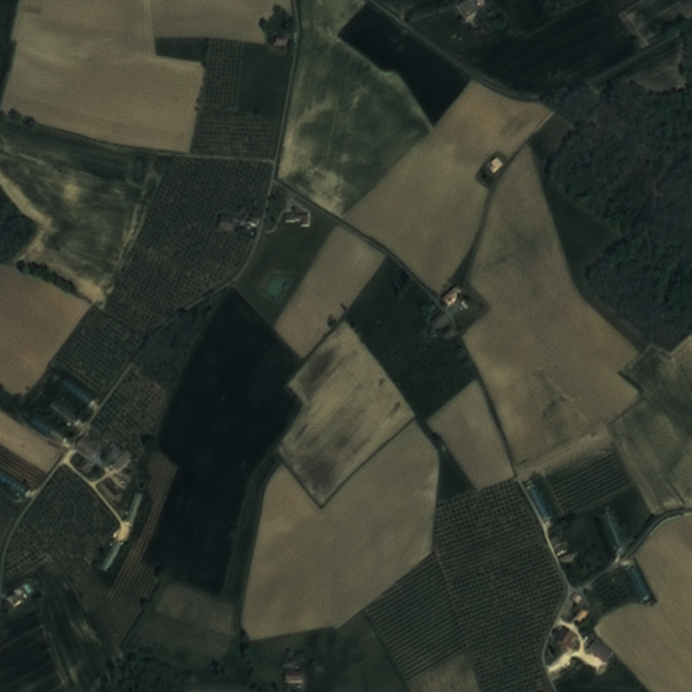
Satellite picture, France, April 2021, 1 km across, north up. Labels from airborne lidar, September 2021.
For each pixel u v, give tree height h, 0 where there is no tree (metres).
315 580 0
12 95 0
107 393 0
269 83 0
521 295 0
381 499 0
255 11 0
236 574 0
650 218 16
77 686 10
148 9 0
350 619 0
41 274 17
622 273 20
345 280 0
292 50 16
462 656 0
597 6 0
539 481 8
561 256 0
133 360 13
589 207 17
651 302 18
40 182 0
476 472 0
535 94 0
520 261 0
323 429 0
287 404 0
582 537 0
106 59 0
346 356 0
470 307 18
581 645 0
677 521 0
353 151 0
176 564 0
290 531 0
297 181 0
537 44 0
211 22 0
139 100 0
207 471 0
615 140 20
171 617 0
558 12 16
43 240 0
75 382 0
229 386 0
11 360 0
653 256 25
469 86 0
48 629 0
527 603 6
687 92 10
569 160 18
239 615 0
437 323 0
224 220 0
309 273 0
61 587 0
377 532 0
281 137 0
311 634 0
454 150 0
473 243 0
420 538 0
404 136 0
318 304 0
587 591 7
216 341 0
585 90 19
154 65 0
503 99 0
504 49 0
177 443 0
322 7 0
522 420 0
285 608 0
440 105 0
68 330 0
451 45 0
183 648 0
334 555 0
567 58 0
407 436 0
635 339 0
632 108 19
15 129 0
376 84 0
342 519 0
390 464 0
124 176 0
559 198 0
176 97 0
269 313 0
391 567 0
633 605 0
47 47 0
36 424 0
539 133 0
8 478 0
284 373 0
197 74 0
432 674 0
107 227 0
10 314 0
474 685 0
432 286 0
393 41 0
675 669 0
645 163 11
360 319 0
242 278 0
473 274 0
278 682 0
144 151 0
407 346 0
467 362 10
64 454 0
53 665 0
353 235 0
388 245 0
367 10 0
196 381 0
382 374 0
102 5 0
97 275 0
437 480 0
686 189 18
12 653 0
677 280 22
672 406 0
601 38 0
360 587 0
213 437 0
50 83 0
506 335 0
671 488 0
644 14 0
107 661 0
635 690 0
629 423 0
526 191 0
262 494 0
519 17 0
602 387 0
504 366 0
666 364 0
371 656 0
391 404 0
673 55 0
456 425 0
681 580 0
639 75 0
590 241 0
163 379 17
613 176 23
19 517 0
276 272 7
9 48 0
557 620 0
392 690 0
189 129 0
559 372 0
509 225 0
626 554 9
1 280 0
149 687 11
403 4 0
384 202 0
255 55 0
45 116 0
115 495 0
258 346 0
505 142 0
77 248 0
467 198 0
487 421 0
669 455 0
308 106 0
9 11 0
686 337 11
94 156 0
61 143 0
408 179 0
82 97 0
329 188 0
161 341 21
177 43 0
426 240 0
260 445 0
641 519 0
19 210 13
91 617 0
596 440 0
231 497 0
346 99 0
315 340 0
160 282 6
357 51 0
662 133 14
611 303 15
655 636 0
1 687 0
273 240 0
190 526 0
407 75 0
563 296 0
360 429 0
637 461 0
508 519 6
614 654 0
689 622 0
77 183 0
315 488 0
